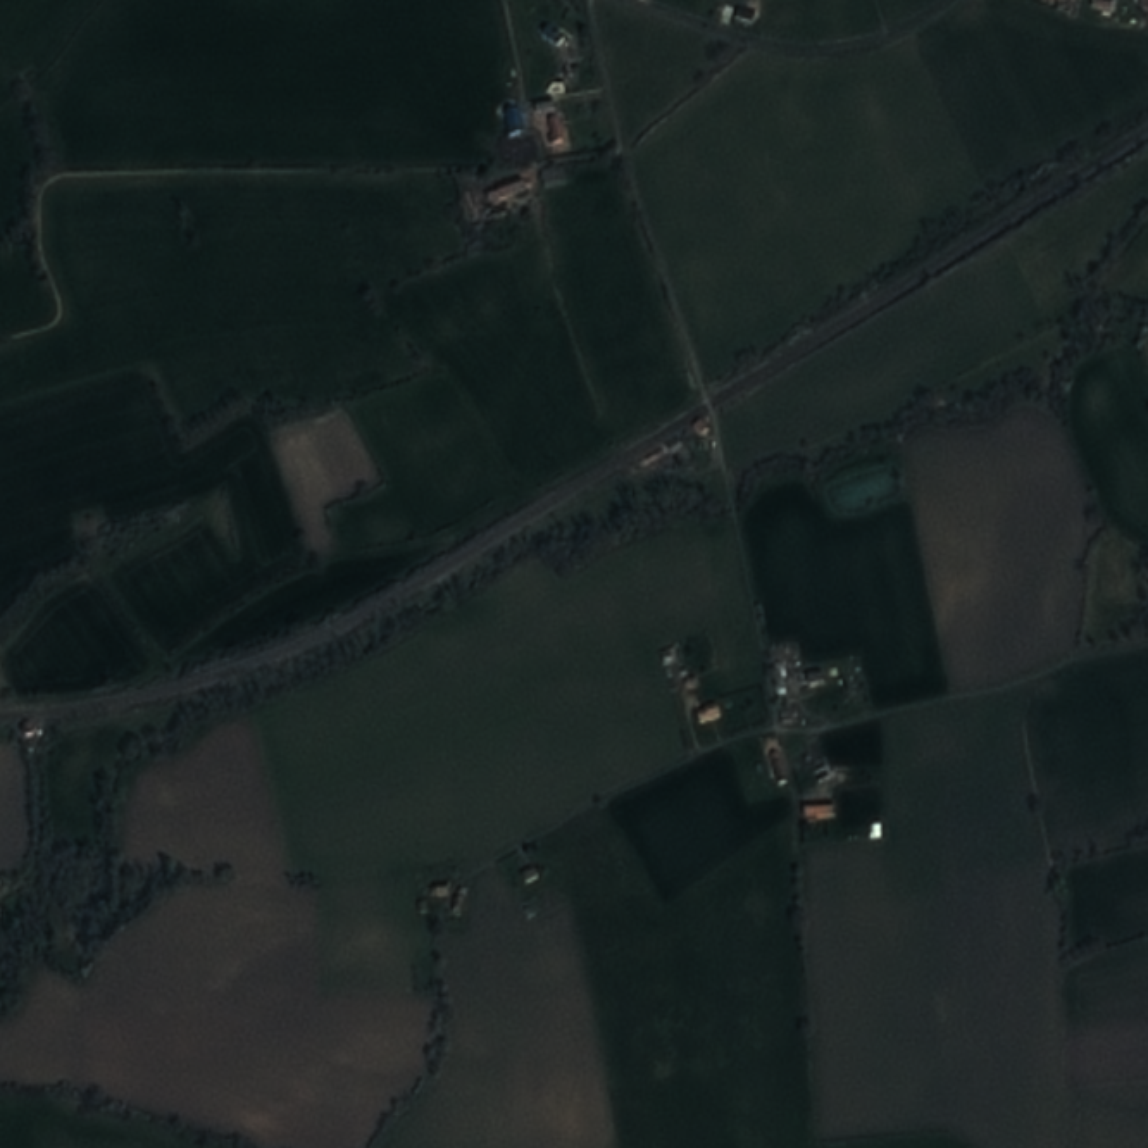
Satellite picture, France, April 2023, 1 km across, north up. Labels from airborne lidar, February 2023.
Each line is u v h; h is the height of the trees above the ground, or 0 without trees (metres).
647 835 0
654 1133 0
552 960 0
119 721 0
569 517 0
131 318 0
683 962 0
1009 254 0
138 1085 0
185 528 0
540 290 0
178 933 0
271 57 0
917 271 0
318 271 0
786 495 0
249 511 0
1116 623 0
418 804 0
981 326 0
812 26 0
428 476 0
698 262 0
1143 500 0
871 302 0
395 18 0
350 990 0
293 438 0
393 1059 0
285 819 0
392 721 0
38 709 0
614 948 0
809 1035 15
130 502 0
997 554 0
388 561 0
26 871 0
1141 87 0
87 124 0
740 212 0
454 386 0
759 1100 0
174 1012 0
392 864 0
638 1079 0
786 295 0
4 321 0
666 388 0
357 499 7
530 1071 0
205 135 0
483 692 0
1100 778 0
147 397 0
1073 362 16
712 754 0
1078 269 0
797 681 0
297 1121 0
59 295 0
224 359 0
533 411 0
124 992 0
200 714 19
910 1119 0
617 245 0
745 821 0
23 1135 0
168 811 0
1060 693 0
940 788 0
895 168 0
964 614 0
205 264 0
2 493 0
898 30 0
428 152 0
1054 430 0
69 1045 0
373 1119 0
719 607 0
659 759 0
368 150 0
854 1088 0
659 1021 0
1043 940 0
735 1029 0
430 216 0
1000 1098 0
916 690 0
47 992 0
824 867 0
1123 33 0
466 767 0
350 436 0
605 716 0
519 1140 0
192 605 0
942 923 0
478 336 0
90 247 0
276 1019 0
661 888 0
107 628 0
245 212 0
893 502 0
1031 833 0
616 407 0
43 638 0
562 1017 0
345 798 0
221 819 0
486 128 0
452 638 0
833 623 0
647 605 0
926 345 0
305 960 0
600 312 0
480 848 0
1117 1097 0
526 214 11
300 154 0
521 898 0
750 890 0
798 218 0
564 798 0
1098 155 0
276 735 0
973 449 0
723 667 0
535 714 0
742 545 0
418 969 6
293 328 0
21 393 0
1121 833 0
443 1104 0
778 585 0
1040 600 0
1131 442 0
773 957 0
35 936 17
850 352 0
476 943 0
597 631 0
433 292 0
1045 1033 0
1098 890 0
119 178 0
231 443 0
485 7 0
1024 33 0
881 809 0
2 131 0
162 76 0
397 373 0
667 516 17
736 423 0
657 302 0
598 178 0
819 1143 0
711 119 0
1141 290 0
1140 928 0
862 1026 0
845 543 0
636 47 0
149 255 0
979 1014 0
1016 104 0
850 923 0
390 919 0
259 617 0
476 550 0
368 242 0
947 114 0
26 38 0
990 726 0
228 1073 0
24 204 17
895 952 0
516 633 0
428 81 0
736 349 0
